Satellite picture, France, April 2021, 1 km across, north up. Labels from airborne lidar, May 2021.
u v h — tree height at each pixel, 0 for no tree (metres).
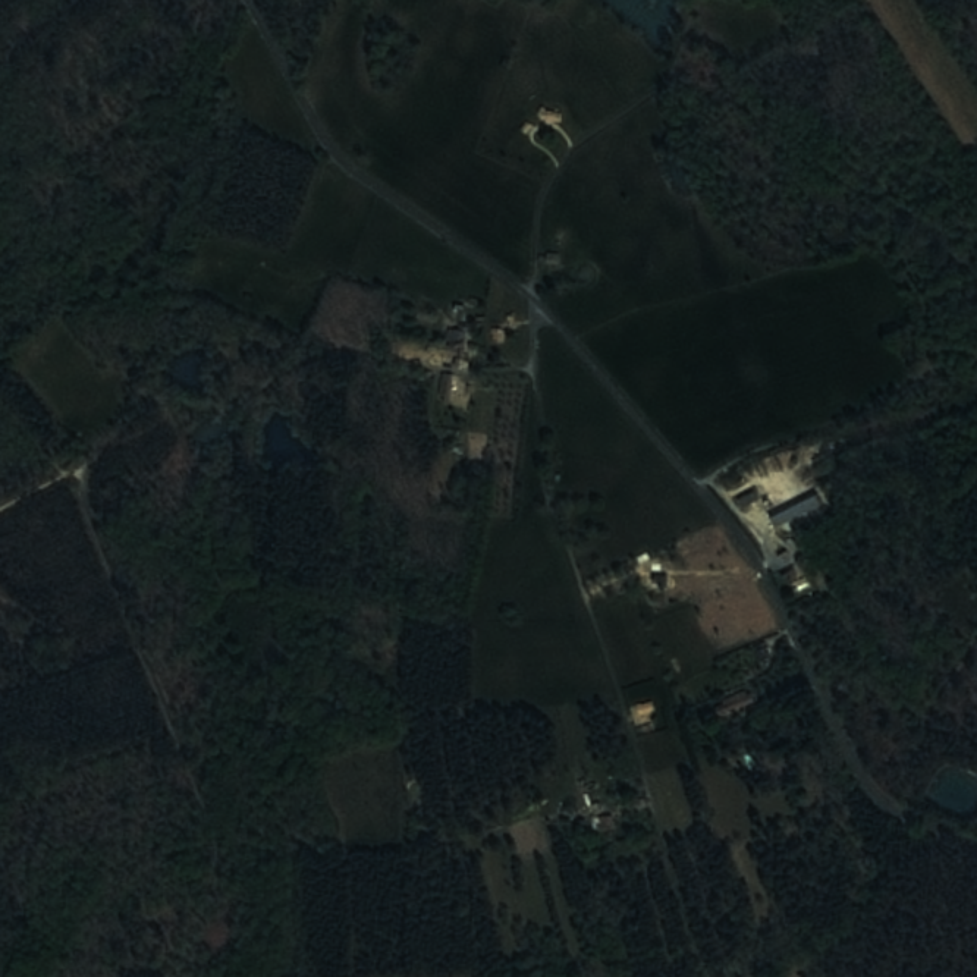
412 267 0
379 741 22
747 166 14
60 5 15
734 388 0
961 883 20
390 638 19
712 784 0
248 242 13
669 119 12
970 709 12
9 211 20
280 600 21
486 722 16
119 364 13
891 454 14
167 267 18
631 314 0
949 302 15
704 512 0
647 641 0
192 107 11
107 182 19
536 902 0
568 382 0
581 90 0
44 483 20
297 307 0
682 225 0
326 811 15
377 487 22
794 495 0
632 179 0
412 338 14
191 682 7
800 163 26
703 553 0
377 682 23
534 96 0
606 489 0
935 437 15
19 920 10
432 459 18
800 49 18
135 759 14
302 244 0
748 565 0
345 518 20
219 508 21
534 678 0
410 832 9
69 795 7
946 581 25
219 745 21
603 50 0
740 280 0
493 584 0
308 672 25
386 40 21
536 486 0
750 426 0
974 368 20
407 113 0
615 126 0
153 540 17
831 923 19
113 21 14
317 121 0
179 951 15
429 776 20
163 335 22
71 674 14
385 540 24
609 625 0
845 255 16
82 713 16
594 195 0
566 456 0
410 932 21
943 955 20
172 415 7
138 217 20
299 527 22
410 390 18
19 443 18
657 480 0
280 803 18
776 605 0
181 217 22
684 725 14
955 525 17
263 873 18
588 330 0
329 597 15
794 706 25
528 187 0
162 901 12
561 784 0
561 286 16
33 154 20
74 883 15
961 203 12
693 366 0
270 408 8
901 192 23
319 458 18
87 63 13
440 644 16
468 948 21
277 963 18
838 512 18
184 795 14
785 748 18
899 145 6
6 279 16
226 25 11
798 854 14
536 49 0
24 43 16
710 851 17
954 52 14
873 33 21
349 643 21
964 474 14
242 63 0
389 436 21
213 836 14
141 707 13
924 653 19
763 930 8
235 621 5
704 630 0
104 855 11
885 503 14
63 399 0
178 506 17
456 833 12
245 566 20
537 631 0
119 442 6
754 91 27
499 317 0
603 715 14
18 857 13
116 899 15
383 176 0
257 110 0
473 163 0
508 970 14
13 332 7
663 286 0
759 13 0
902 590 11
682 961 17
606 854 8
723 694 7
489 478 15
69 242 23
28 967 24
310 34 15
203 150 19
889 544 11
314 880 21
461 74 0
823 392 0
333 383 12
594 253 0
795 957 19
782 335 0
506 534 0
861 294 0
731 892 16
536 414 0
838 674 12
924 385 9
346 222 0
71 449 13
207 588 16
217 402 14
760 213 17
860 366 0
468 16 0
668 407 0
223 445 9
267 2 18
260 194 16
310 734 18
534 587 0
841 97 18
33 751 12
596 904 18
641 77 0
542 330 0
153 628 10
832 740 16
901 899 20
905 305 9
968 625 0
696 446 0
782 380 0
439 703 18
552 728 18
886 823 12
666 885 18
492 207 0
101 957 10
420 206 0
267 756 20
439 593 19
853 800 15
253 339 8
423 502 24
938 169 18
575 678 0
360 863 13
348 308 17
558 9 15
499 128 0
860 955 23
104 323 17
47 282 15
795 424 0
